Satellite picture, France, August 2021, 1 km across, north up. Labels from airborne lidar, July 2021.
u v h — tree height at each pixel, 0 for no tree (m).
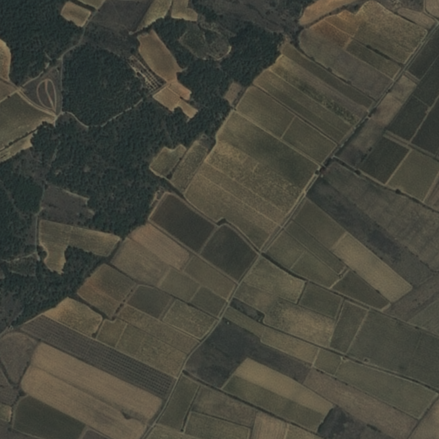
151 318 0
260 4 0
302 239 0
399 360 0
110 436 0
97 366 0
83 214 12
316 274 0
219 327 0
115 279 0
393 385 0
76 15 0
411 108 0
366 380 0
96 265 6
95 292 0
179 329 0
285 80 0
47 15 9
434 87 0
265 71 0
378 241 0
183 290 0
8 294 9
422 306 0
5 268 6
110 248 0
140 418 0
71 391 0
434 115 0
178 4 0
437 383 0
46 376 0
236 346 0
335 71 0
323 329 0
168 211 0
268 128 0
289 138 0
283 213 0
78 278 10
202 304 0
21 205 16
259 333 0
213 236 0
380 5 0
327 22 0
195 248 0
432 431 0
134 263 0
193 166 0
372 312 0
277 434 0
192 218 0
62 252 0
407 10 0
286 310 0
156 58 0
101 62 8
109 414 0
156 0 0
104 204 9
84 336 0
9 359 0
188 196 0
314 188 0
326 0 0
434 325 0
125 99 7
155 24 8
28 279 10
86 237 0
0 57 0
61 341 0
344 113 0
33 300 8
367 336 0
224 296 0
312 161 0
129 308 0
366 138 0
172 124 8
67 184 7
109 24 0
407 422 0
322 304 0
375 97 0
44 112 0
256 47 9
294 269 0
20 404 0
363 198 0
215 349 0
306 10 0
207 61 9
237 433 0
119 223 10
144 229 0
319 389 0
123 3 0
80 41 0
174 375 0
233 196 0
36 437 0
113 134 11
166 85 0
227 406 0
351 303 0
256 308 0
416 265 0
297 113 0
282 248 0
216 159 0
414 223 0
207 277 0
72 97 7
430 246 0
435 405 0
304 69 0
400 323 0
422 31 0
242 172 0
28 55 11
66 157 8
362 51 0
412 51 0
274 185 0
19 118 0
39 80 0
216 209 0
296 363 0
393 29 0
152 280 0
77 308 0
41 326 0
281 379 0
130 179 12
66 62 6
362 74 0
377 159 0
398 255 0
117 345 0
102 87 10
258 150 0
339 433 0
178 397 0
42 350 0
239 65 10
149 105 10
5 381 0
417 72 0
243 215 0
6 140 0
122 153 9
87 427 0
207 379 0
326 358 0
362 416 0
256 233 0
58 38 10
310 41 0
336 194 0
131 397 0
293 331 0
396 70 0
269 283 0
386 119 0
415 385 0
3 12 8
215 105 11
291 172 0
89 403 0
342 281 0
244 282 0
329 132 0
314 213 0
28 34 15
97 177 10
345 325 0
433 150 0
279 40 6
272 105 0
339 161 6
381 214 0
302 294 0
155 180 8
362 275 0
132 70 11
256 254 0
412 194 0
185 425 0
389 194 0
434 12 0
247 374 0
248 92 0
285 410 0
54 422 0
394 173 0
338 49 0
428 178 0
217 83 14
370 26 0
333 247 0
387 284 0
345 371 0
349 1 0
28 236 7
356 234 0
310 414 0
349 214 0
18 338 0
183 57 10
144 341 0
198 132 12
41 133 9
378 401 0
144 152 12
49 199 0
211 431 0
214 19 9
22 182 13
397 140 0
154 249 0
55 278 12
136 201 11
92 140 8
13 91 0
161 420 0
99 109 7
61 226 0
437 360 0
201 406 0
